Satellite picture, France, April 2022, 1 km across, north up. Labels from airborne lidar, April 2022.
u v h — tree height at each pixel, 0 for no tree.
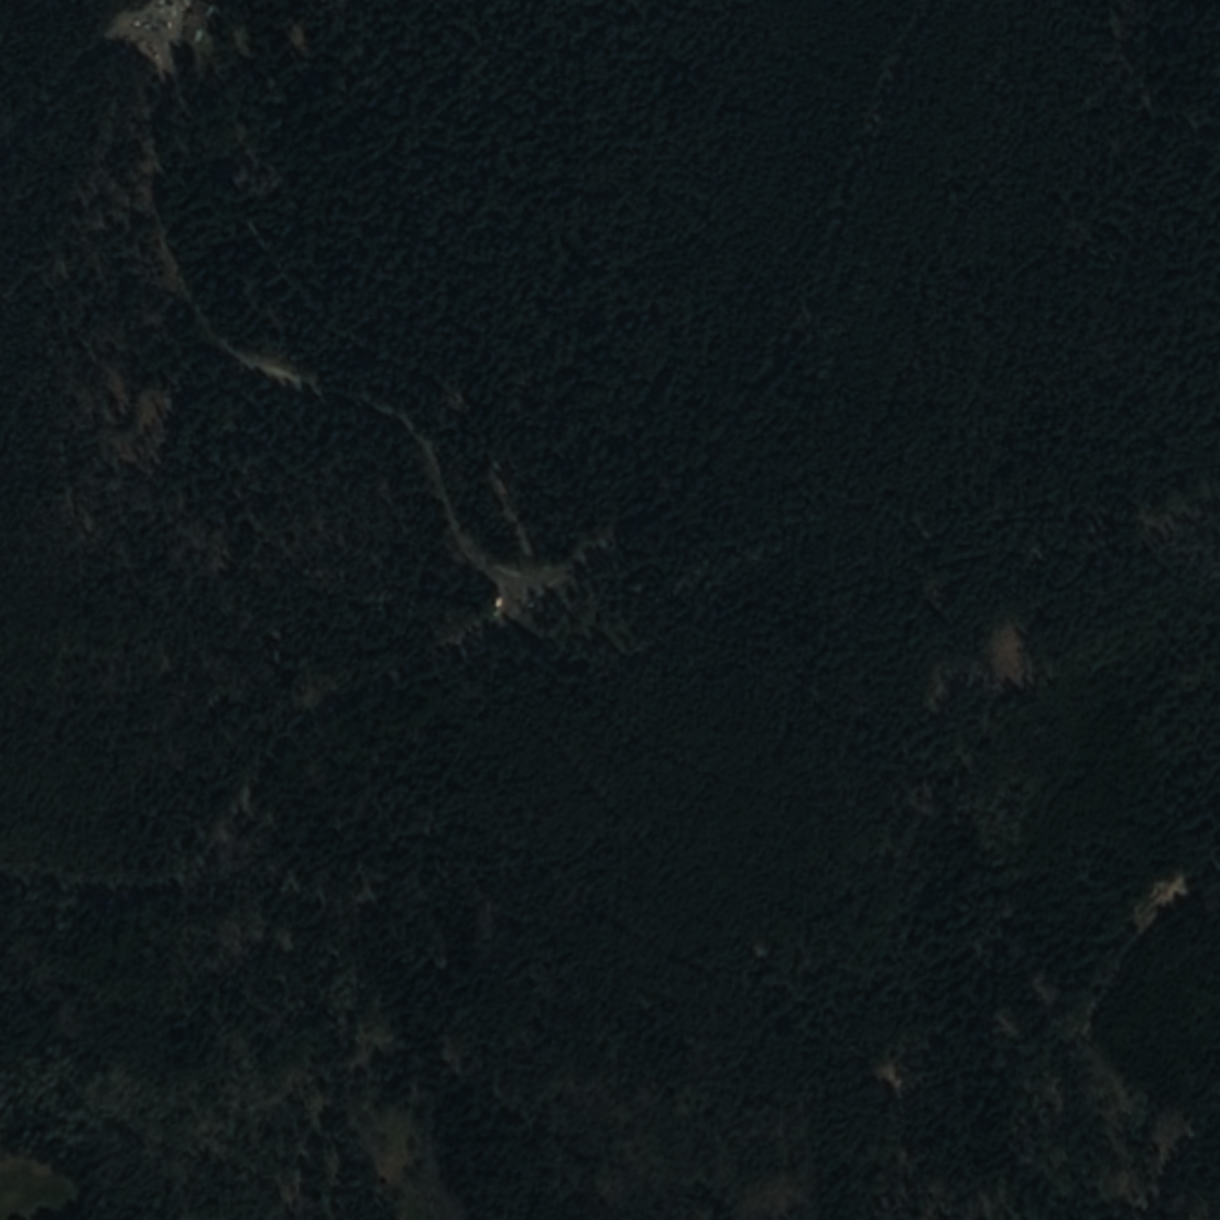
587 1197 22
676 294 28
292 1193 20
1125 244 24
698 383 26
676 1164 19
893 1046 22
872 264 16
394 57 13
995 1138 30
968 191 18
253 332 32
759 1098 18
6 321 13
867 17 18
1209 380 20
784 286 22
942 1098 23
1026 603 25
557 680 17
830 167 18
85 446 20
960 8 17
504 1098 24
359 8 27
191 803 23
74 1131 35
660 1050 27
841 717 17
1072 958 22
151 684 17
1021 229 23
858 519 18
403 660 21
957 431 22
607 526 14
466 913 22
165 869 23
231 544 11
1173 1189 26
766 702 16
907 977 19
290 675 12
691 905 19
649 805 19
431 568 7
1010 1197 31
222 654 30
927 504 19
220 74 0
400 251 26
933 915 20
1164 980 16
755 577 20
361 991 27
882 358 16
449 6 19
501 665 18
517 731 19
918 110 18
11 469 14
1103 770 19
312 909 31
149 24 0
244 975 28
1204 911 24
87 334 21
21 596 20
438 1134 20
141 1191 22
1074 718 18
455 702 23
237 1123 19
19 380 12
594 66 23
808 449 17
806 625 16
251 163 26
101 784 22
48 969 25
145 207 14
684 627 18
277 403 17
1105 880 26
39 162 17
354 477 17
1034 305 22
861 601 23
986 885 27
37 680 21
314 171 40
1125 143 23
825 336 17
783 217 19
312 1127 27
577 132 24
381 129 30
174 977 23
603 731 15
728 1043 17
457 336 29
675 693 15
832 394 23
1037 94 23
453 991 19
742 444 21
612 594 19
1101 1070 27
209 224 43
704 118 23
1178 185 19
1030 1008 28
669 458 23
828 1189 21
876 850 15
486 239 29
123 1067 20
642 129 26
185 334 33
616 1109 21
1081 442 24
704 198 25
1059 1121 35
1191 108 29
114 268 22
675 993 19
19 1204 0
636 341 28
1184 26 24
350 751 34
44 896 28
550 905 22
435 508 23
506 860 22
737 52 17
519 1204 23
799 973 16
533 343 27
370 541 14
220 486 24
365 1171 33
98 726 23
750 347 19
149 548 21
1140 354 23
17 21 21
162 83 12
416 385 22
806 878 19
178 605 20
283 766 26
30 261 15
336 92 36
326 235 27
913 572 16
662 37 21
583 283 23
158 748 19
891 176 18
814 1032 22
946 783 24
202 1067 24
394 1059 23
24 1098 33
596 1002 19
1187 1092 18
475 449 22
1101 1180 29
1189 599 18
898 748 22
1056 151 21
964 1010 23
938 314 20
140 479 20
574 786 18
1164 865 19
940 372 16
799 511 18
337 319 28
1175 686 31
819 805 17
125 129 17
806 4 20
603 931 21
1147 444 19
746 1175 22
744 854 19
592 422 26
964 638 22
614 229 24
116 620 24
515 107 19
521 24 21
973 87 17
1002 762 18
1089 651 23
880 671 23
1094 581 25
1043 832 18
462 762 15
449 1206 19
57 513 20
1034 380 18
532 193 29
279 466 23
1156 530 22
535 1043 20
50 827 23
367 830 25
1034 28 20
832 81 18
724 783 18
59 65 19
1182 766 9
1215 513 18
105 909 34
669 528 22
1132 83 28
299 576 24
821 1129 20
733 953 19
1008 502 19
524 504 18
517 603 0
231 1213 26
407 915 29
